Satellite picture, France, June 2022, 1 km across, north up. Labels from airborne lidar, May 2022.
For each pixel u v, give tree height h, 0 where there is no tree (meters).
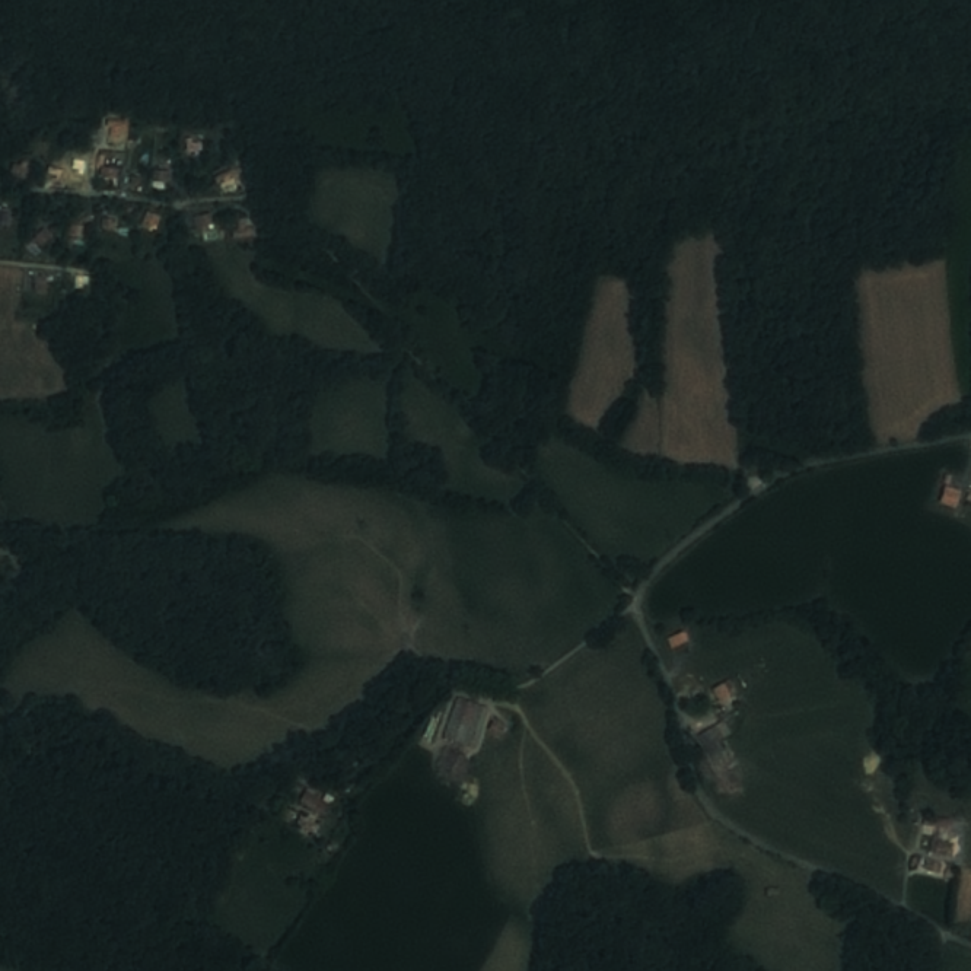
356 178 0
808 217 11
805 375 16
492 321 17
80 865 24
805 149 18
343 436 0
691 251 0
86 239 9
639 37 25
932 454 0
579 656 0
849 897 24
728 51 20
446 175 20
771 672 0
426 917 0
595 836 0
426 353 8
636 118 18
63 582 21
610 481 0
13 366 0
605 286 0
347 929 0
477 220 29
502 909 0
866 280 0
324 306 0
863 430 20
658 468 19
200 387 23
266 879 0
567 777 0
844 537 0
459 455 0
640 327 22
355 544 0
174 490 21
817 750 0
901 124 20
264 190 20
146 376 26
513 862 0
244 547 20
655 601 0
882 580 0
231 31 25
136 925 30
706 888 25
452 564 0
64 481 0
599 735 0
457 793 0
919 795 0
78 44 24
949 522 0
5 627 23
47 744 13
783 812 0
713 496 0
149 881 22
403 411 12
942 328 0
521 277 25
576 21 21
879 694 24
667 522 0
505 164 17
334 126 0
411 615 0
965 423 15
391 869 0
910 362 0
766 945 0
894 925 25
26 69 18
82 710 9
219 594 27
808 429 22
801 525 0
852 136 17
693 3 23
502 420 22
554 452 0
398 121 0
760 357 19
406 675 16
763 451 15
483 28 26
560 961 27
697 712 17
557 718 0
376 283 16
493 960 0
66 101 20
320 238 18
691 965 28
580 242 17
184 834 24
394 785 0
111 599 22
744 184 10
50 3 18
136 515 9
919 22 16
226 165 14
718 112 19
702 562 0
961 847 0
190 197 17
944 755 21
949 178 18
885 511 0
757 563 0
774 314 13
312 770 27
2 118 21
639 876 26
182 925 20
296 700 0
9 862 24
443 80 25
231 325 18
